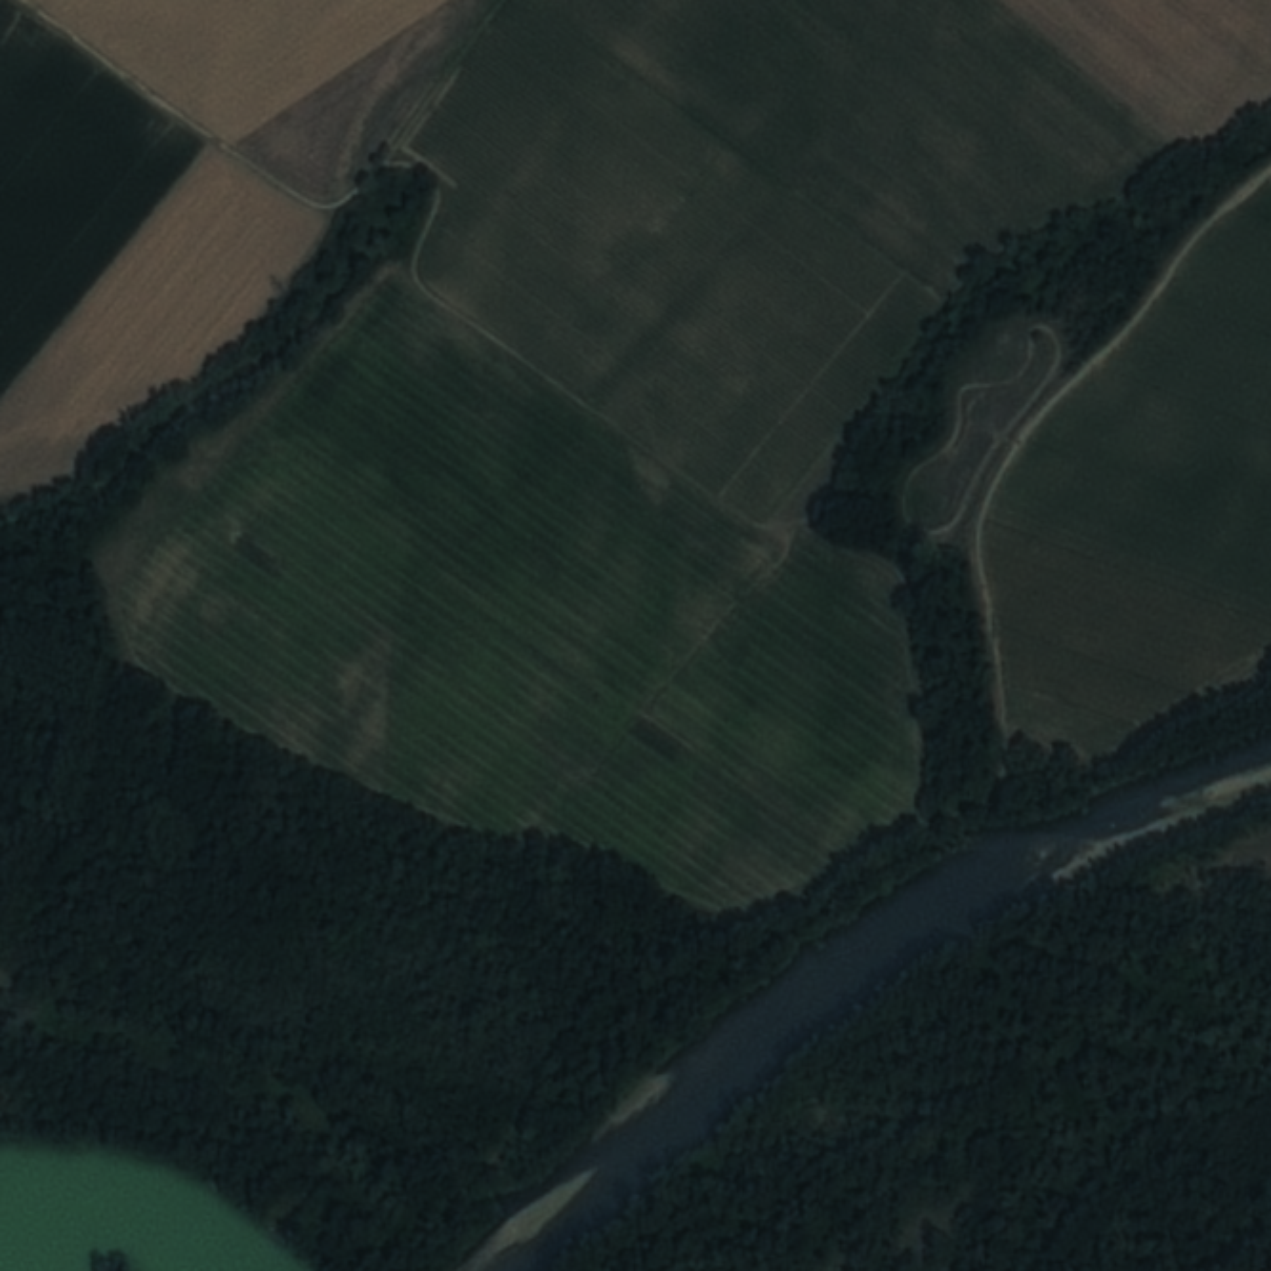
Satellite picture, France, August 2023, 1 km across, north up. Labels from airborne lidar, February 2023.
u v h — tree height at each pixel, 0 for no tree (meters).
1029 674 0
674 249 0
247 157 0
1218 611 0
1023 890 0
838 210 0
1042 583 0
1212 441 0
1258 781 0
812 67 0
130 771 15
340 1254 14
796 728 0
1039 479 0
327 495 0
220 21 0
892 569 0
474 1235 31
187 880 18
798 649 0
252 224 0
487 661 0
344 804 17
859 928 0
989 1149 22
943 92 0
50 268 0
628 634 0
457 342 0
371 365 0
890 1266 9
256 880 26
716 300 0
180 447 22
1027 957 25
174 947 17
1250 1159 13
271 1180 11
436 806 0
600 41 0
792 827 0
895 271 0
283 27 0
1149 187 17
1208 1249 24
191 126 0
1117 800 0
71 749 32
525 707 0
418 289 0
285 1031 7
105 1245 0
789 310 0
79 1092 18
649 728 0
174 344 0
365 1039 13
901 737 0
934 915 0
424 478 0
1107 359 0
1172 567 0
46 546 20
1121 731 0
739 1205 26
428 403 0
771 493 0
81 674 38
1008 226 0
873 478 21
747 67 0
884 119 0
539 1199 0
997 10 0
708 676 0
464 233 0
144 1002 17
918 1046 15
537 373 0
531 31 0
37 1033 16
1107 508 0
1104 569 0
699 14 0
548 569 0
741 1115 27
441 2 0
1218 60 0
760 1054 0
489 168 0
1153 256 5
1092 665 0
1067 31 0
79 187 0
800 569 0
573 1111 18
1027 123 0
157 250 0
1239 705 18
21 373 0
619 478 0
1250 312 0
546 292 0
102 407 0
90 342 0
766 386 0
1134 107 0
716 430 0
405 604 0
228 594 0
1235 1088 17
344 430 0
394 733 0
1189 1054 21
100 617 21
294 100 0
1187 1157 27
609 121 0
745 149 0
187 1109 13
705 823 0
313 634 0
